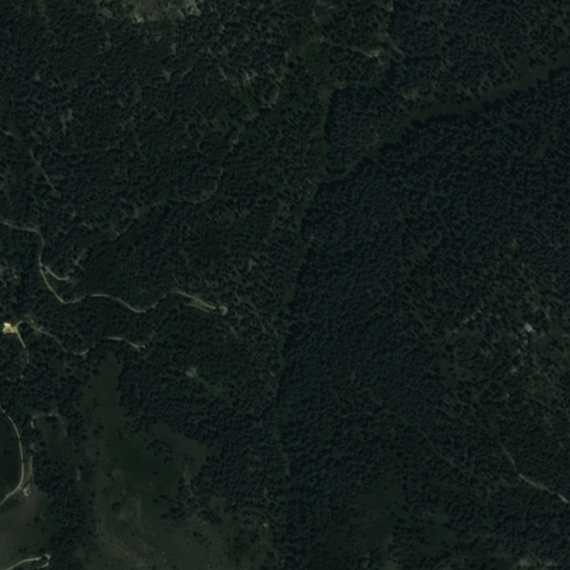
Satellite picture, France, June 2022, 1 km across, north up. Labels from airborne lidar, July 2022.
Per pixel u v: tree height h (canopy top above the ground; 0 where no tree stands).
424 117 0
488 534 7
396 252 17
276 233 18
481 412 14
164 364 10
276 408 13
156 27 9
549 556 14
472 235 23
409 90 14
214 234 11
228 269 23
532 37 7
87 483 7
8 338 8
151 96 24
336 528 13
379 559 13
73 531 21
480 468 23
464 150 31
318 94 28
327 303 24
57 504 13
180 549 0
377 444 22
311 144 18
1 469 0
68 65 17
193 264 7
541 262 20
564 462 13
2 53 31
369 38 17
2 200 12
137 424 8
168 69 25
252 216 9
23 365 10
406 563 11
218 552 0
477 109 0
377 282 24
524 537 29
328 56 9
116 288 16
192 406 25
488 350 21
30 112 24
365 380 20
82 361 21
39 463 17
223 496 16
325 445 11
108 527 0
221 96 9
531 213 26
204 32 27
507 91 0
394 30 19
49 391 23
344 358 21
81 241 21
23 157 10
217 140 10
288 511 10
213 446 15
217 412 23
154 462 0
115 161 9
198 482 8
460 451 28
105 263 15
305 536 9
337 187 22
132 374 22
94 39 13
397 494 0
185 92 18
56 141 11
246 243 27
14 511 0
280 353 10
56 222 22
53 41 18
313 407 18
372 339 11
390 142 0
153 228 12
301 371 12
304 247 13
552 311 8
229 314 7
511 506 20
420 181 6
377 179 26
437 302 17
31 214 25
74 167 24
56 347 13
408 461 17
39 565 6
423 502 24
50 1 14
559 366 27
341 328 7
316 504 26
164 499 10
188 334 17
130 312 19
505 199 26
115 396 0
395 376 22
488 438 16
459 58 19
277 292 13
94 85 25
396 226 26
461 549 15
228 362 15
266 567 8
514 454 13
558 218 22
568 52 31
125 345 13
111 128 13
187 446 0
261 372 29
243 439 23
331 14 8
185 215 18
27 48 18
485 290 15
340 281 27
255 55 24
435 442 10
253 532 7
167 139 23
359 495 10
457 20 29
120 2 8
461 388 13
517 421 8
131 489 0
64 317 15
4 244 15
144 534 0
